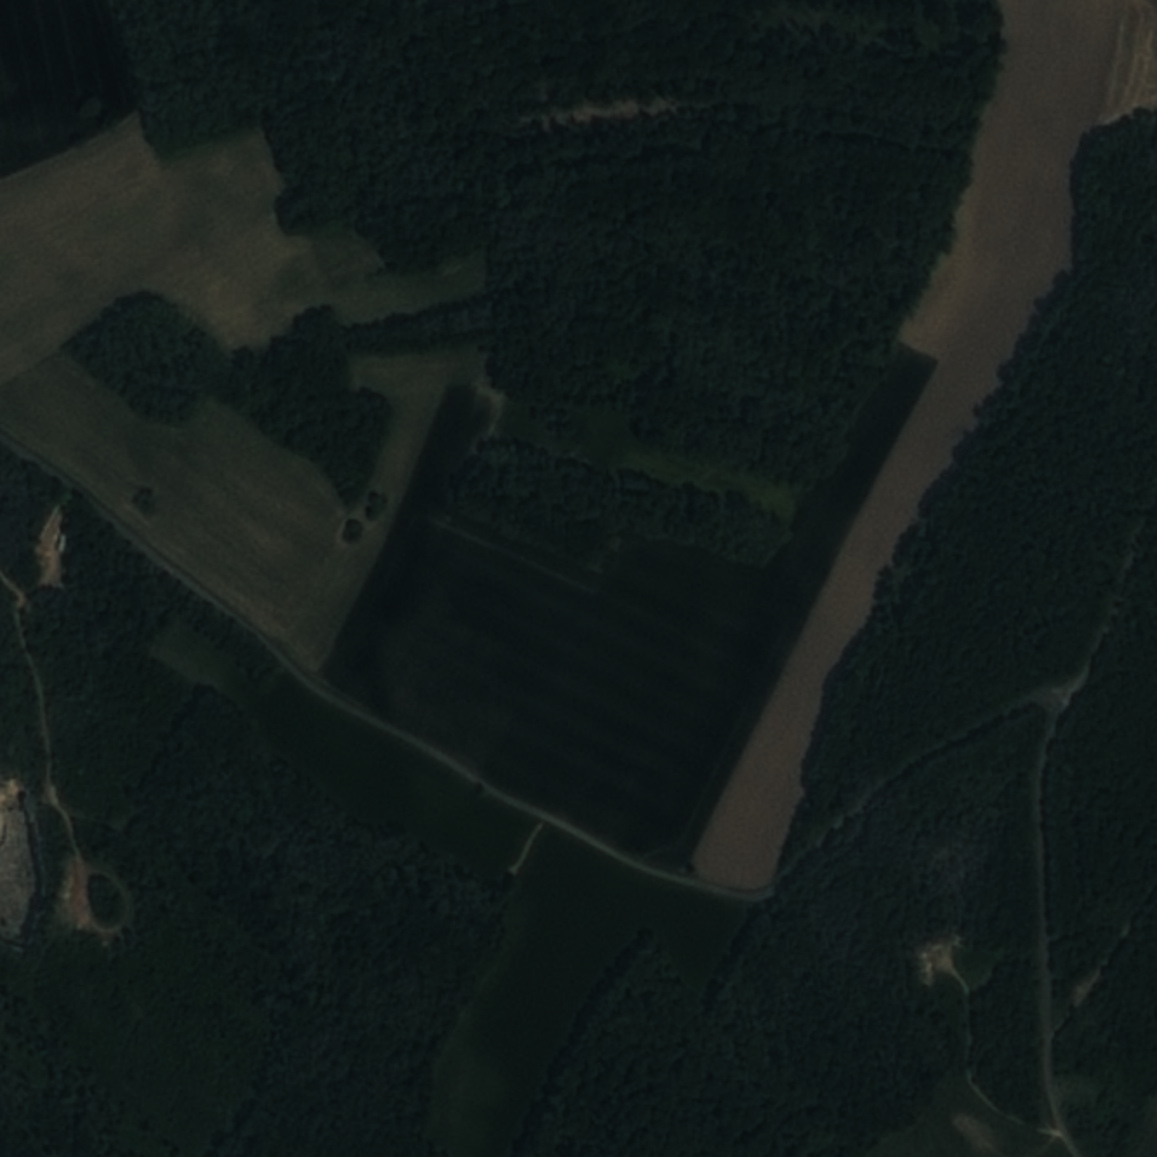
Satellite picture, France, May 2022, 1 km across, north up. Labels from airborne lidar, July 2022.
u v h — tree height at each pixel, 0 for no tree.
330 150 29
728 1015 23
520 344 25
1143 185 15
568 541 26
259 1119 20
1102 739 15
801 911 16
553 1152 20
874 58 25
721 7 27
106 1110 23
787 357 27
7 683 13
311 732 0
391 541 0
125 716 6
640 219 27
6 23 0
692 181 34
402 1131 18
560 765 0
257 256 0
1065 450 16
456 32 30
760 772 0
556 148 21
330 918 19
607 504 26
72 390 0
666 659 0
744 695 0
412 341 19
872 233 27
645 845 0
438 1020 13
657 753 0
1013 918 14
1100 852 13
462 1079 0
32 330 0
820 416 21
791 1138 17
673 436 19
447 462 0
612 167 31
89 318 0
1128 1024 14
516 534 21
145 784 14
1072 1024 8
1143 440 16
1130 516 17
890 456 0
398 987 20
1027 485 19
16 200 0
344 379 14
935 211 26
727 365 26
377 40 25
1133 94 0
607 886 0
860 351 28
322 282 0
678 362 25
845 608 0
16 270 0
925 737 17
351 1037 23
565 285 25
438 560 0
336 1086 18
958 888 7
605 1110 24
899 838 14
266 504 0
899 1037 20
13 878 0
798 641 0
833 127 24
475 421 0
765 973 18
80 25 0
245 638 15
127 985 6
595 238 31
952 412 0
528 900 0
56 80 0
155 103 25
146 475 0
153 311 25
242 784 25
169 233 0
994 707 16
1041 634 18
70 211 0
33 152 0
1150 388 17
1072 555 19
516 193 22
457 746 0
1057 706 0
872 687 19
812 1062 19
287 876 28
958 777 12
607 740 0
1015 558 23
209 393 17
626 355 23
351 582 0
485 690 0
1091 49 0
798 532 0
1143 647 18
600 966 0
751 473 16
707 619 0
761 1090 24
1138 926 8
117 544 11
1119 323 17
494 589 0
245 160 0
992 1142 0
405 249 19
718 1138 23
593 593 0
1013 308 0
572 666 0
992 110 0
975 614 17
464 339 20
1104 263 18
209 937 25
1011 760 12
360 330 12
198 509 0
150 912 10
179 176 0
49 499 12
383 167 12
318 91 24
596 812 0
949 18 8
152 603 6
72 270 0
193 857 23
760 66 25
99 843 6
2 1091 21
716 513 23
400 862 16
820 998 18
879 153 25
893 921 16
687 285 30
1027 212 0
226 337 0
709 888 0
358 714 0
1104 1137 6
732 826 0
